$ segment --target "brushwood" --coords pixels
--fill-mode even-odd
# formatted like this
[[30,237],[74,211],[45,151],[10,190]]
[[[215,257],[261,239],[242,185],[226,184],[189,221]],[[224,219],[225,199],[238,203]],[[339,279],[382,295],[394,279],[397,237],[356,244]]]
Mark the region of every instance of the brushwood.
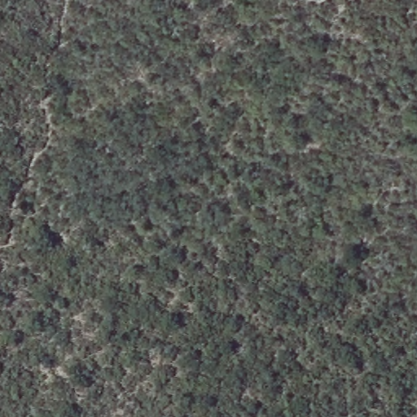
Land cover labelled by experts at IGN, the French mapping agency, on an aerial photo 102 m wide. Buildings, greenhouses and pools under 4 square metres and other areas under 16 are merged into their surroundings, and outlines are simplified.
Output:
[[417,0],[0,0],[0,417],[417,417]]

